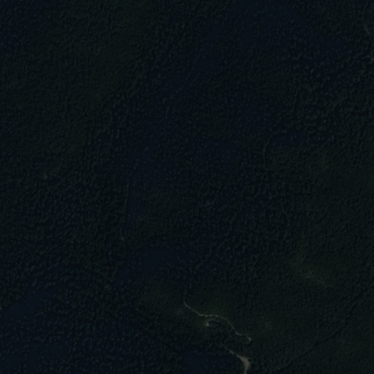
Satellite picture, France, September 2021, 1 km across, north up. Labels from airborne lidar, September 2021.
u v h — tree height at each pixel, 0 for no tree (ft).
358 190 46
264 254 76
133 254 78
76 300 100
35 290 80
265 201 20
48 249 104
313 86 75
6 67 61
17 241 89
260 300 70
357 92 86
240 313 53
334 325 65
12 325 122
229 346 41
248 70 70
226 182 87
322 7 56
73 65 63
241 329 47
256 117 76
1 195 78
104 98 67
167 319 73
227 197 93
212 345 58
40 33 69
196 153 63
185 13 79
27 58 62
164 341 78
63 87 45
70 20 37
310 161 61
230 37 82
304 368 87
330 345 71
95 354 88
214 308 42
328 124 27
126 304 28
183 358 59
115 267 78
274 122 106
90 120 67
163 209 75
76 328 93
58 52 41
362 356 60
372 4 60
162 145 65
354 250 59
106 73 63
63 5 57
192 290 45
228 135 54
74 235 93
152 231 75
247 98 88
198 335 64
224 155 55
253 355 50
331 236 45
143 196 58
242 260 94
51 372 29
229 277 97
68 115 52
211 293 67
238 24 77
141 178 66
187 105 40
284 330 45
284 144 79
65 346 111
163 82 43
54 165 74
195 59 49
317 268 51
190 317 52
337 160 61
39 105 37
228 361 86
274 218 59
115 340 83
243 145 83
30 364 24
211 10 61
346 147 47
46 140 30
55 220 123
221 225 94
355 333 51
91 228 64
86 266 79
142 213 51
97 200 83
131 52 75
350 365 53
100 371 86
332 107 70
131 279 88
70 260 70
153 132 34
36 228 86
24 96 56
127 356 112
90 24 27
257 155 60
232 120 74
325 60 88
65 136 51
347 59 84
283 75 63
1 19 66
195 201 71
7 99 53
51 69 53
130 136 40
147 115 45
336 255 54
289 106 52
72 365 123
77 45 51
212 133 82
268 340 41
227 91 72
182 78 58
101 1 50
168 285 70
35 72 46
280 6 70
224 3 57
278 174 61
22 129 59
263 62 66
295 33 78
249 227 64
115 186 59
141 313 91
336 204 91
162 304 33
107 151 92
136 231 67
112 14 64
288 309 64
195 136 87
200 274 45
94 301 83
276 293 39
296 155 43
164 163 84
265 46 77
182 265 88
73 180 110
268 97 78
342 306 87
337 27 63
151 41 77
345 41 66
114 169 39
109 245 96
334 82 75
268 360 60
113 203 85
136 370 72
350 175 47
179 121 81
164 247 87
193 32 30
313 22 85
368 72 34
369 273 76
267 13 81
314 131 49
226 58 86
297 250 50
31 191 85
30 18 65
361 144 106
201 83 61
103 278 26
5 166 65
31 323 93
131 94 91
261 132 82
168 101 39
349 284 48
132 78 92
